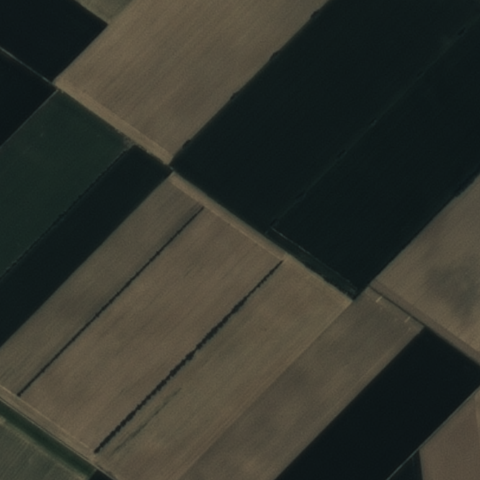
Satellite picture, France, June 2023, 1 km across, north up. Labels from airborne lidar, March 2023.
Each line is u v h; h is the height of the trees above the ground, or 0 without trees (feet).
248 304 0
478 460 0
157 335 0
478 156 0
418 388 0
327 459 0
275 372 0
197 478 0
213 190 0
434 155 0
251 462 0
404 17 0
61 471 0
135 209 0
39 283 0
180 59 0
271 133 0
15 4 0
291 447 0
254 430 0
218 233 0
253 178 0
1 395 0
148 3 0
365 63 0
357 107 0
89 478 0
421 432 0
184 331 0
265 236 0
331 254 0
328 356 0
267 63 0
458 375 0
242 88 0
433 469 0
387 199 0
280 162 0
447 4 0
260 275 0
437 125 0
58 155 0
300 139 0
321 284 0
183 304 0
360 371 0
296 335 0
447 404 0
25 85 0
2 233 0
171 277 0
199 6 0
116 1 0
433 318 0
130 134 0
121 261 0
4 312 0
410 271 0
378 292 0
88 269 0
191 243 0
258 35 0
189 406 0
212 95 0
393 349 0
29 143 0
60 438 0
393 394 0
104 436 0
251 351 0
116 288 0
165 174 0
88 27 0
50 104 0
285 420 0
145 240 0
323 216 0
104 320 0
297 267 0
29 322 0
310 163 0
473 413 0
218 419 0
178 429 0
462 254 0
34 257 0
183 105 0
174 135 0
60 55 0
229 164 0
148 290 0
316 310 0
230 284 0
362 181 0
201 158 0
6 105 0
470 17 0
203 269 0
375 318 0
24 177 0
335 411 0
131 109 0
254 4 0
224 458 0
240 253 0
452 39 0
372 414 0
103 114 0
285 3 0
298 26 0
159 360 0
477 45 0
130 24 0
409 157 0
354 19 0
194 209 0
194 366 0
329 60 0
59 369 0
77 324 0
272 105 0
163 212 0
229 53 0
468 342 0
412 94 0
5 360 0
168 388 0
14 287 0
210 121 0
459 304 0
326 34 0
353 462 0
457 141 0
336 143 0
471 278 0
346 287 0
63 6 0
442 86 0
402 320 0
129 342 0
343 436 0
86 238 0
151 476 0
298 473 0
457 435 0
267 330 0
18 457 0
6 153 0
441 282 0
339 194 0
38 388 0
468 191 0
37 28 0
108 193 0
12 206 0
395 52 0
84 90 0
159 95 0
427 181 0
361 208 0
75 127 0
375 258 0
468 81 0
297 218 0
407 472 0
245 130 0
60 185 0
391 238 0
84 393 0
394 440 0
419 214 0
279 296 0
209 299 0
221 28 0
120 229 0
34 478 0
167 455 0
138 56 0
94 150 0
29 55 0
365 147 0
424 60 0
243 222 0
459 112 0
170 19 0
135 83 0
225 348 0
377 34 0
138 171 0
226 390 0
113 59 0
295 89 0
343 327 0
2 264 0
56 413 0
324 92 0
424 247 0
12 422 0
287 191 0
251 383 0
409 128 0
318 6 0
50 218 0
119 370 0
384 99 0
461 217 0
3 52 0
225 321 21
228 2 0
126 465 0
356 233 0
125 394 0
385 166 0
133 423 0
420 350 0
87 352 0
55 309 0
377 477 0
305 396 0
